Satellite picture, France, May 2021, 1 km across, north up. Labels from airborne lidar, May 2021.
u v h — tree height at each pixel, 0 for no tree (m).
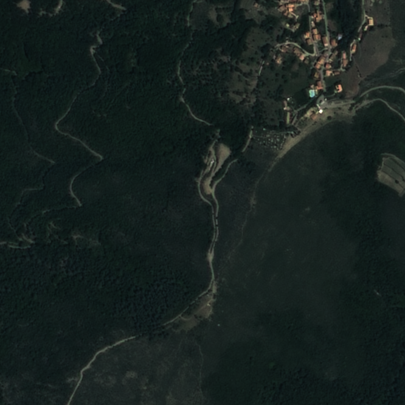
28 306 12
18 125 12
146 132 9
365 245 12
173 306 13
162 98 8
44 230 11
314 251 0
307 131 0
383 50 0
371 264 14
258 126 11
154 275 8
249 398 10
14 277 14
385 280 7
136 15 15
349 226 7
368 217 8
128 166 13
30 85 17
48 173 9
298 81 0
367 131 6
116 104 9
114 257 12
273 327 7
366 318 7
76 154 8
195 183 6
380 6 0
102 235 12
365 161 6
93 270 13
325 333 6
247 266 0
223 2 12
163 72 12
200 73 13
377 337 9
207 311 0
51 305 6
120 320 6
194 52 6
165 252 7
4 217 8
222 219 0
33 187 9
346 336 7
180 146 15
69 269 14
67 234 10
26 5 0
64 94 11
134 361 0
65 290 10
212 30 13
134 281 11
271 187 0
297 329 11
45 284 17
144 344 0
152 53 17
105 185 5
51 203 9
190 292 8
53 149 8
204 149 8
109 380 0
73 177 6
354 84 0
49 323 8
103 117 9
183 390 0
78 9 12
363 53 0
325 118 0
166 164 8
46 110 12
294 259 0
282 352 6
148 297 17
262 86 6
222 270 0
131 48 13
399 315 17
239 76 6
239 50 14
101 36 9
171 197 7
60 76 18
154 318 14
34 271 16
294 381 22
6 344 8
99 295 7
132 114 8
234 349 5
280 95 6
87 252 14
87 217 12
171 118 11
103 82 10
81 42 14
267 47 14
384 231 7
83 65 12
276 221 0
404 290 10
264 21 11
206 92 8
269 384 12
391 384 14
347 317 6
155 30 11
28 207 13
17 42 12
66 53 14
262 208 0
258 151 0
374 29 9
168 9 10
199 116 9
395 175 0
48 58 17
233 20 12
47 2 11
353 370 7
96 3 6
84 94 9
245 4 0
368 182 6
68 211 11
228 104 9
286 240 0
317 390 13
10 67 13
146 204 6
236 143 8
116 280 18
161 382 0
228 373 5
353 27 15
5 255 12
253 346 6
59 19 11
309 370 9
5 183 14
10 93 12
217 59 11
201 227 8
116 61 15
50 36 15
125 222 10
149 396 0
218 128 13
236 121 6
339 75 5
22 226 10
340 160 11
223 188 0
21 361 6
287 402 9
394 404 15
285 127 7
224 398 6
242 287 0
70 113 9
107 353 0
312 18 0
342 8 16
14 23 11
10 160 10
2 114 10
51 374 6
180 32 11
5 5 11
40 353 6
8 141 8
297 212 0
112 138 8
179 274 7
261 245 0
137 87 10
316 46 0
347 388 17
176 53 12
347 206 7
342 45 9
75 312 6
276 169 0
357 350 7
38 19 10
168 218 7
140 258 9
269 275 0
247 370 6
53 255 13
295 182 0
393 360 14
